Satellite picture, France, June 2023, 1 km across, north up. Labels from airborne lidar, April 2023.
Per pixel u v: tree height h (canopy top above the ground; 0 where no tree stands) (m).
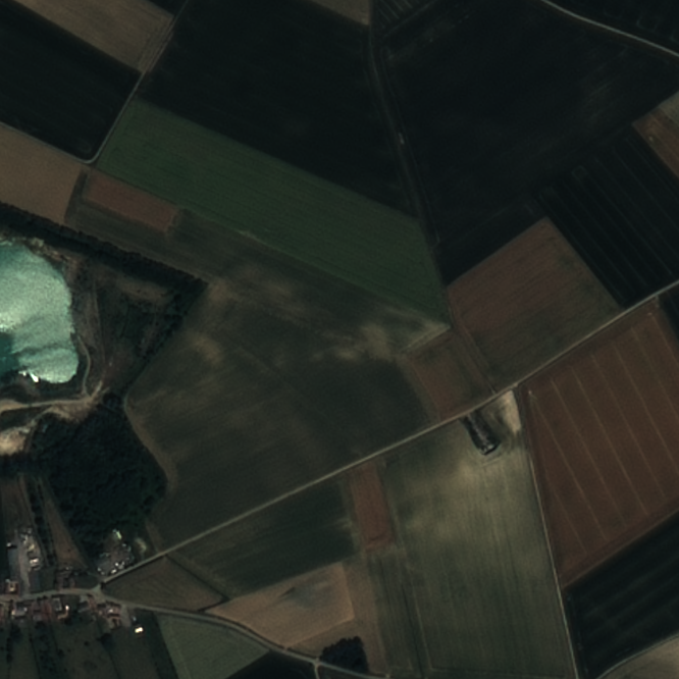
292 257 0
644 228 0
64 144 0
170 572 0
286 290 0
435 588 0
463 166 0
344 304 0
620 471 0
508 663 0
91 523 9
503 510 0
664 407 0
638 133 0
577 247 0
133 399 0
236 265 0
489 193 0
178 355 0
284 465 0
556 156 0
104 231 0
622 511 0
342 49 0
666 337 0
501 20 0
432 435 0
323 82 0
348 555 0
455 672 0
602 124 0
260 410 0
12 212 11
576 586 0
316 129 0
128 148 0
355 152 0
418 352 0
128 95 0
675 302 0
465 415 0
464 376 0
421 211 0
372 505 0
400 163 0
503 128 0
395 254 0
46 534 8
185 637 0
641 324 0
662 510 0
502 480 0
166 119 0
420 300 0
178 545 0
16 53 0
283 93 0
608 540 0
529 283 0
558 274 0
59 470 15
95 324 0
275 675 0
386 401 0
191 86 0
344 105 0
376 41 0
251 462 0
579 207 0
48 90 0
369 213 0
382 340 0
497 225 0
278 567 0
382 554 0
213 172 0
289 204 0
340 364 0
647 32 0
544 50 0
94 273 0
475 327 0
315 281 0
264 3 0
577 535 0
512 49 0
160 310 0
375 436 0
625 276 0
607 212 0
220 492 0
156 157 0
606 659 0
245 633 0
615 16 0
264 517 0
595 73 0
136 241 0
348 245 0
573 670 0
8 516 0
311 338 0
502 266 0
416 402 0
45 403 0
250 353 0
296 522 0
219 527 0
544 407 0
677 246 0
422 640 0
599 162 0
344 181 0
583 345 0
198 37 0
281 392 0
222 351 0
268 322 0
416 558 0
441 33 0
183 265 0
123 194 0
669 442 0
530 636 0
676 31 0
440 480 0
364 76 0
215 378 0
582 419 0
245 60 0
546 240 0
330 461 0
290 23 0
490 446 0
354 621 0
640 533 0
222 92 0
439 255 0
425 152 0
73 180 0
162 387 0
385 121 0
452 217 0
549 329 0
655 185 0
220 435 0
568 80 0
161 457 0
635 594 0
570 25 0
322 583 0
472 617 0
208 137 0
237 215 0
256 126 0
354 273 0
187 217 0
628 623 0
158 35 0
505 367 0
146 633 0
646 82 0
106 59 0
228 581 0
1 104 0
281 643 0
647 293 0
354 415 0
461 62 0
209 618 0
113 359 0
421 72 0
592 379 0
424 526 0
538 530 0
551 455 0
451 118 0
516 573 0
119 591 0
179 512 0
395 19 0
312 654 0
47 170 0
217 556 0
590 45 0
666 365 0
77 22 0
